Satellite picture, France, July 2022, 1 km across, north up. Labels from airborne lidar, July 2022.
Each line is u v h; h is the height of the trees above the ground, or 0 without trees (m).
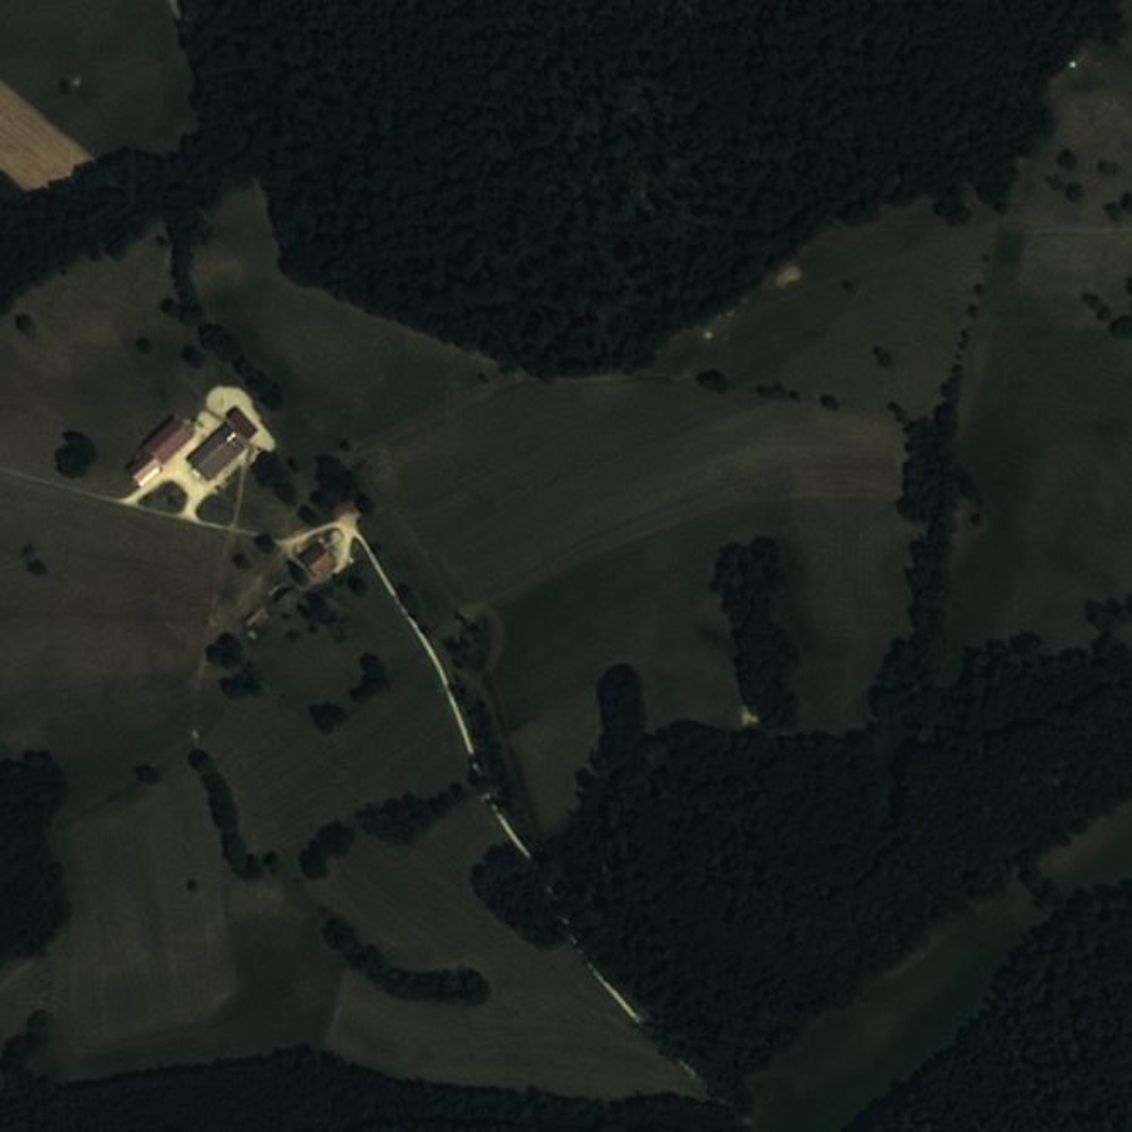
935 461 14
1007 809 24
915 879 21
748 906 19
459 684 13
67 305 0
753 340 0
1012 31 21
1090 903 28
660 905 26
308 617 26
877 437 0
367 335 0
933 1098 24
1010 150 11
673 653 0
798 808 22
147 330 0
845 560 0
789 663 24
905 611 0
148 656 0
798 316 0
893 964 29
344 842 24
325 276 18
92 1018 0
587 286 26
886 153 22
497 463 0
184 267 18
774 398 12
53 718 0
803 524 0
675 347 0
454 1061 0
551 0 28
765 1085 0
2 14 0
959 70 19
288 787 0
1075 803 28
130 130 0
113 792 0
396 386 0
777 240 26
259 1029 0
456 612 0
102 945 0
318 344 0
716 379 17
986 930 0
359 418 0
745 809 25
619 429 0
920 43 24
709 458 0
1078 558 0
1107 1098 27
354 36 24
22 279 13
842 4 31
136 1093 16
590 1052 0
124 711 0
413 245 24
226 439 0
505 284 27
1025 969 24
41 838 17
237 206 0
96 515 0
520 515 0
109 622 0
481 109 30
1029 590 0
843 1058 0
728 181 27
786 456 0
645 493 0
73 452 16
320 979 0
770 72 29
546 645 0
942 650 11
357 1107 18
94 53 0
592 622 0
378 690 19
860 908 23
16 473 0
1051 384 0
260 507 0
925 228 0
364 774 0
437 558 0
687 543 0
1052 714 26
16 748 0
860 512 0
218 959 0
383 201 31
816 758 15
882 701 24
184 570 0
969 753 31
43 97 0
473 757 0
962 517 0
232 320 0
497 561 0
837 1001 28
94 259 15
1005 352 0
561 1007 0
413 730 0
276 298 0
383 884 0
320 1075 19
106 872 0
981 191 21
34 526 0
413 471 0
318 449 0
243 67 25
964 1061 20
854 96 23
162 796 0
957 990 0
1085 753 20
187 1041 0
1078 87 0
